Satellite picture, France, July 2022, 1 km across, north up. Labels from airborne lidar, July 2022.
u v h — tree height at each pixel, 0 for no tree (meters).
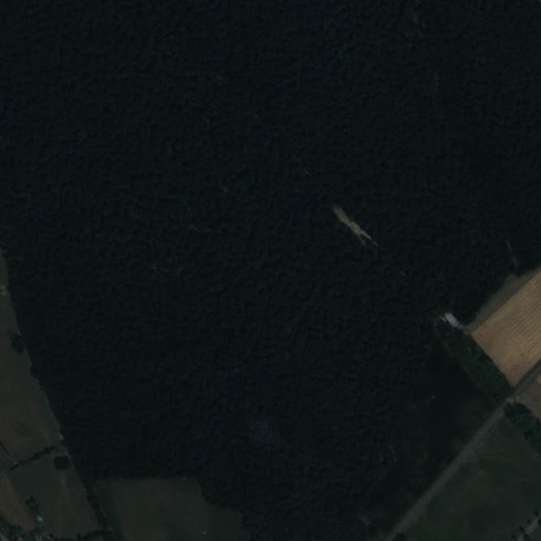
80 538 12
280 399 26
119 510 0
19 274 14
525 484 0
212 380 11
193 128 25
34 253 18
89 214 21
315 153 18
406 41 28
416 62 24
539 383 0
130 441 16
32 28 26
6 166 15
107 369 21
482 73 27
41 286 20
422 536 0
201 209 29
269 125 19
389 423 18
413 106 33
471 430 0
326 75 23
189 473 21
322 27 25
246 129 29
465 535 0
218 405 27
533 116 22
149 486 0
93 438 20
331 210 14
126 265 26
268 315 25
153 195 21
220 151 29
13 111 14
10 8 25
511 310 0
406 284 16
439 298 19
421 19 12
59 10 24
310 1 16
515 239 17
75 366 18
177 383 21
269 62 26
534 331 0
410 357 24
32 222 19
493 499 0
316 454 23
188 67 27
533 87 26
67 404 18
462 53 25
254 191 23
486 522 0
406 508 0
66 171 26
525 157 29
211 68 26
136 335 26
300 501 17
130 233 10
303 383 23
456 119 16
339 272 27
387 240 24
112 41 16
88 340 21
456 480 0
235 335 24
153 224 23
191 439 25
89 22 28
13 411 0
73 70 24
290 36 22
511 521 0
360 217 31
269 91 22
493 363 20
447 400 0
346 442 20
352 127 26
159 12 27
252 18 23
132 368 24
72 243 24
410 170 22
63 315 18
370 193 29
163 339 26
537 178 22
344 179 28
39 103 20
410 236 9
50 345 19
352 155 22
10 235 23
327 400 20
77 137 23
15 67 25
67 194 25
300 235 28
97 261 23
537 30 28
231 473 17
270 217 25
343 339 20
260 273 25
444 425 0
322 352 25
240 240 29
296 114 19
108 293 24
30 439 0
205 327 9
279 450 18
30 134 22
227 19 28
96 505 12
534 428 34
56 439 0
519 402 0
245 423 17
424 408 0
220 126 26
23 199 23
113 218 25
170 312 22
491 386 37
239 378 20
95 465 14
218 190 33
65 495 0
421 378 0
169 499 0
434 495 0
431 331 20
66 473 0
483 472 0
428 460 0
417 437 0
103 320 23
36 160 9
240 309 25
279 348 28
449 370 0
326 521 24
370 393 19
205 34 22
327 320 28
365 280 25
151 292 29
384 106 28
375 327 23
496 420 0
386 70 26
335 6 24
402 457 0
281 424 20
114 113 25
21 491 0
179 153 26
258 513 20
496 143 19
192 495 0
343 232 27
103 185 23
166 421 22
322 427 20
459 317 23
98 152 27
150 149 27
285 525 22
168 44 24
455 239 11
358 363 28
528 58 24
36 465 0
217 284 27
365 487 18
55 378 20
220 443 22
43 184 22
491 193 15
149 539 0
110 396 17
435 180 31
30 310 21
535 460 0
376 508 0
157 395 22
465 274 22
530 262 19
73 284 27
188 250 25
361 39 24
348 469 26
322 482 18
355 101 26
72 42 25
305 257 29
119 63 26
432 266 25
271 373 25
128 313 25
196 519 0
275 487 18
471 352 36
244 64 24
